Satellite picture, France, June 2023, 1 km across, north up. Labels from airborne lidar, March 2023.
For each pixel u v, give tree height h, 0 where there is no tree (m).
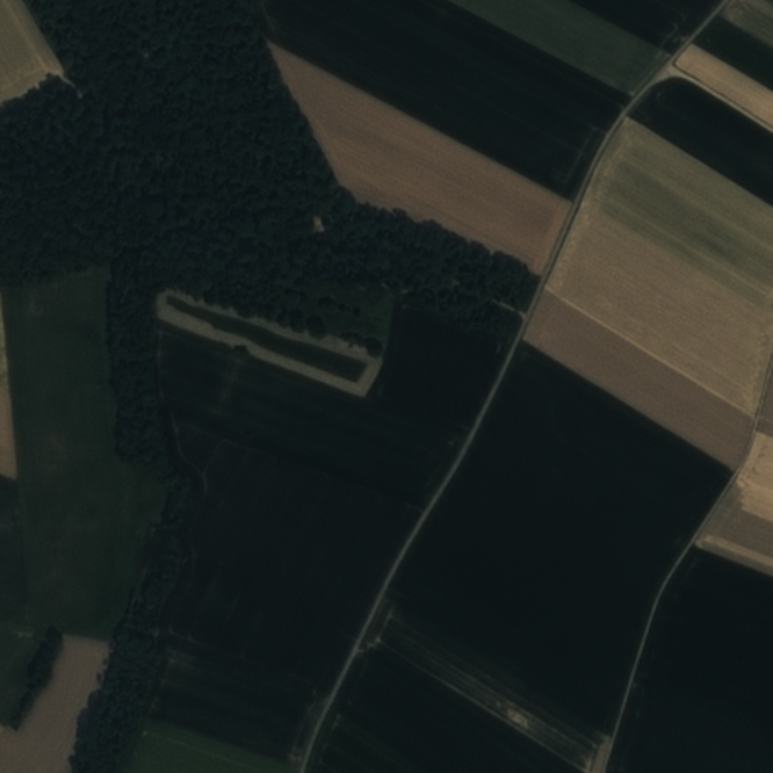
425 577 0
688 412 0
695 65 0
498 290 10
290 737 0
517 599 0
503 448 0
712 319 0
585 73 0
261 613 0
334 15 0
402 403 0
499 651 0
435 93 0
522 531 0
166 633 0
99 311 0
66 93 21
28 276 24
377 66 0
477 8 0
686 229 0
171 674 0
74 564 0
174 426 0
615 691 0
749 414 0
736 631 0
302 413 0
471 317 17
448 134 0
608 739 0
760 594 0
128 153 30
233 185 23
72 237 36
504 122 0
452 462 0
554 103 0
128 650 22
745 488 0
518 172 0
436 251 26
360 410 0
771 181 0
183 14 23
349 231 27
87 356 0
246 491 0
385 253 29
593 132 0
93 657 0
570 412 0
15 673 0
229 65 26
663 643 0
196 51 21
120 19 19
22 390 0
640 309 0
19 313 0
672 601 0
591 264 0
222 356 0
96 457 0
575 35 0
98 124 31
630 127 0
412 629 0
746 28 0
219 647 0
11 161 30
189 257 32
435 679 0
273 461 0
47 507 0
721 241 0
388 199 0
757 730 0
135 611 12
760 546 0
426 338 0
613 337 0
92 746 32
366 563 0
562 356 0
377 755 0
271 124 26
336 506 0
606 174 0
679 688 0
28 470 0
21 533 0
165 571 16
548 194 0
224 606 0
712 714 0
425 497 0
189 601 0
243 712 0
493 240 0
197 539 0
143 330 20
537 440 0
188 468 0
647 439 0
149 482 0
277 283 27
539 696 0
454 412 0
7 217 27
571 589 0
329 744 0
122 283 25
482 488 0
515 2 0
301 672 0
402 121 0
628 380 0
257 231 18
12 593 0
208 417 0
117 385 24
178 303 0
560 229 0
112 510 0
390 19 0
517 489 0
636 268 0
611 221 0
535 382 0
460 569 0
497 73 0
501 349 0
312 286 0
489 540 0
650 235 0
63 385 0
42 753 0
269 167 21
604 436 0
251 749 0
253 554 0
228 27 25
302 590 0
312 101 0
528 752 0
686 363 0
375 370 0
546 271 0
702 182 0
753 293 0
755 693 0
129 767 0
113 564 0
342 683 0
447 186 0
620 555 0
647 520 0
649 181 0
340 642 0
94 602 0
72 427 0
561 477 0
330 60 0
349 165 0
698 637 0
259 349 0
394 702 0
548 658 0
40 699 0
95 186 35
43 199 30
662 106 0
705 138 0
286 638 0
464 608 0
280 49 0
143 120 23
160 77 22
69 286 0
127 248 25
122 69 20
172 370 0
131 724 23
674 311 0
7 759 0
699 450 0
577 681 0
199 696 0
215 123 19
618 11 0
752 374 0
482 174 0
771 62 0
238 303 30
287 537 0
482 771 0
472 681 0
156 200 30
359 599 0
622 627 0
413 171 0
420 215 0
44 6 14
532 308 0
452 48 0
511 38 0
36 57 0
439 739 0
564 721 0
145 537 0
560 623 0
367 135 0
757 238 0
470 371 0
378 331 0
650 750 0
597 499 0
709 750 0
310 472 0
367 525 0
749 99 0
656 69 0
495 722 0
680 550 0
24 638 0
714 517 0
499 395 0
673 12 0
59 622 0
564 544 0
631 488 0
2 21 0
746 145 0
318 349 0
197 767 0
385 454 0
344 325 0
